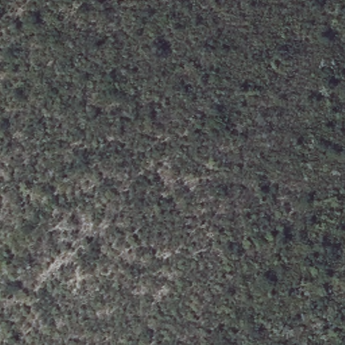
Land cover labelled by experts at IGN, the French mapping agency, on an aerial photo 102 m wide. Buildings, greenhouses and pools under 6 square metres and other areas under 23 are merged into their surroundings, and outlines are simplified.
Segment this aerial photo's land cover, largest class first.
<instances>
[{"label":"brushwood","instance_id":"1","mask_svg":"<svg viewBox=\"0 0 345 345\"><path fill-rule=\"evenodd\" d=\"M0 345H345V0H0Z\"/></svg>","mask_w":345,"mask_h":345}]
</instances>
